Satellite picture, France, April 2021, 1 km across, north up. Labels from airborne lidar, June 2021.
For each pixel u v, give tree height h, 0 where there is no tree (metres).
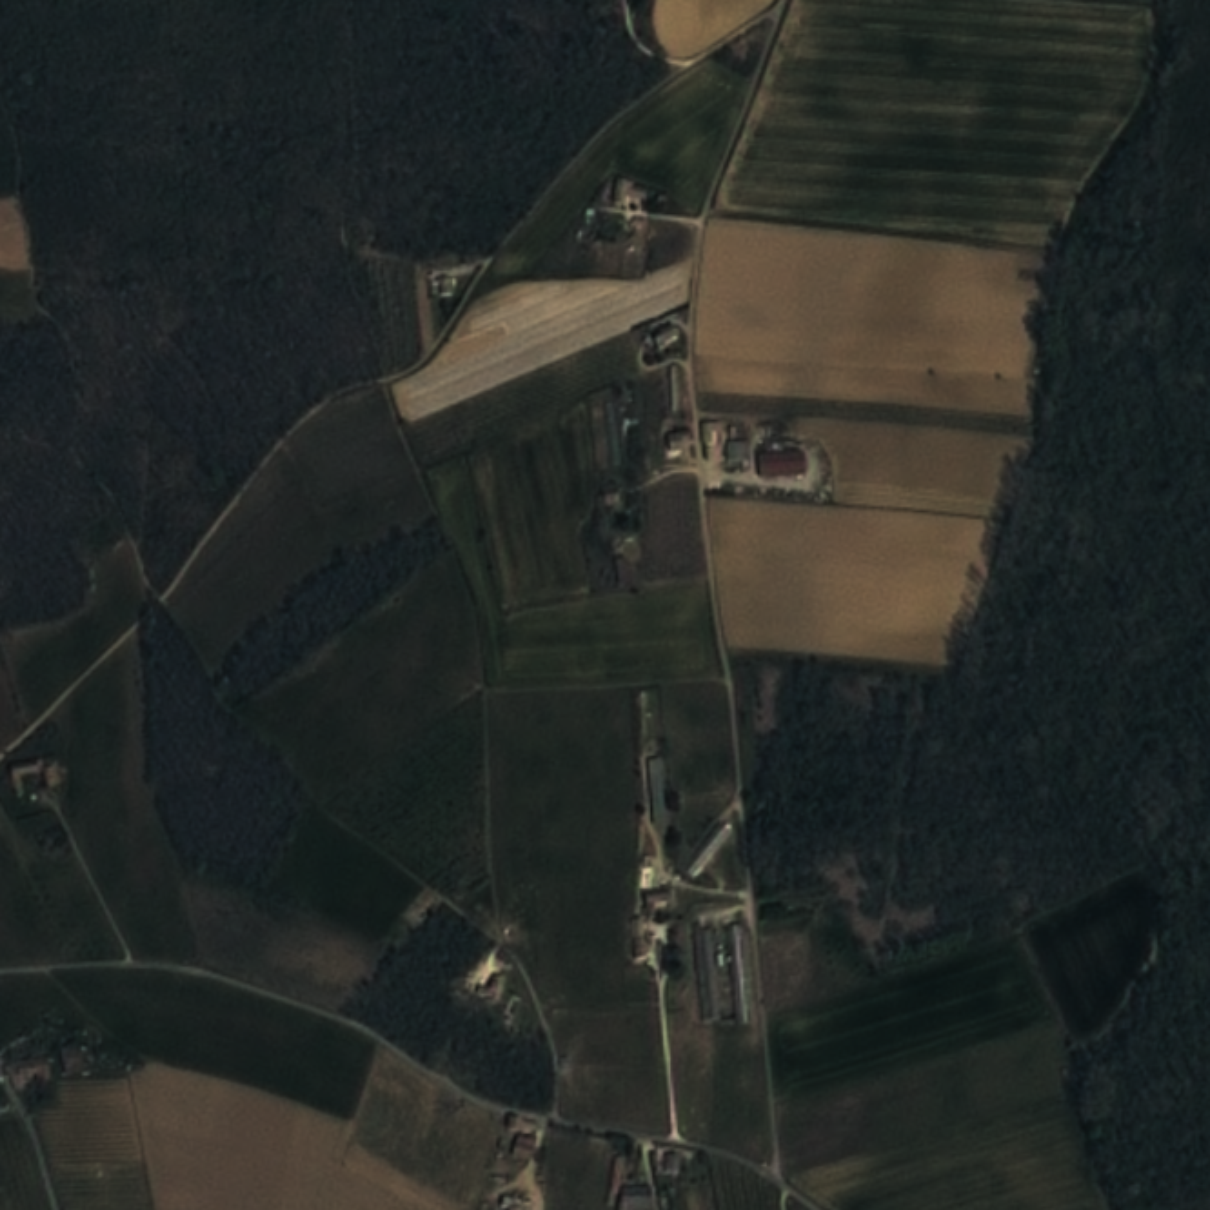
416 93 15
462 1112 0
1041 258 0
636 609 0
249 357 18
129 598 0
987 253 0
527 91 12
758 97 0
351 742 0
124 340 16
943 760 21
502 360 0
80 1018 0
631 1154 8
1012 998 0
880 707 11
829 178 0
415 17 15
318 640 15
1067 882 17
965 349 0
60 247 9
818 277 0
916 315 0
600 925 0
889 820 18
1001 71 0
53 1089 9
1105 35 0
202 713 16
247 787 17
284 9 8
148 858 0
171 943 0
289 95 11
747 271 0
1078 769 19
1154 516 11
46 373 17
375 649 0
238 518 0
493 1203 0
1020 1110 0
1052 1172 0
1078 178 0
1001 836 13
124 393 15
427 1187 0
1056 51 0
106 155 11
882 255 0
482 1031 7
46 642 0
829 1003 0
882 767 14
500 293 0
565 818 0
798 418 0
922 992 0
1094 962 0
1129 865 13
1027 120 0
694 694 0
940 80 0
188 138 8
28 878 0
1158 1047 9
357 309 15
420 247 12
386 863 0
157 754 14
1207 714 23
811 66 0
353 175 13
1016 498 30
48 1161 0
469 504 0
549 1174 0
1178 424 17
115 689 0
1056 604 15
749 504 0
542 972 0
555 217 0
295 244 11
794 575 0
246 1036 0
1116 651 18
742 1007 0
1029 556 20
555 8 20
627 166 0
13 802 0
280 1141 0
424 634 0
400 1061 0
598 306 0
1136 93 0
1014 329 0
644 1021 0
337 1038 0
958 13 0
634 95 10
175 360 19
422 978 12
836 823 17
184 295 8
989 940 9
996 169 0
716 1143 0
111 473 15
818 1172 0
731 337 0
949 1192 0
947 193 0
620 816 0
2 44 13
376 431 0
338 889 0
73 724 0
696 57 0
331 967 0
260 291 13
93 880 0
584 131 9
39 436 14
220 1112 0
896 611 0
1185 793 31
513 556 0
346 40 8
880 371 0
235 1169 0
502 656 0
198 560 0
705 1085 0
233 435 21
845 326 0
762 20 0
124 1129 0
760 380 0
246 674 16
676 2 0
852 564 0
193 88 10
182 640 15
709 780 0
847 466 0
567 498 0
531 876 0
